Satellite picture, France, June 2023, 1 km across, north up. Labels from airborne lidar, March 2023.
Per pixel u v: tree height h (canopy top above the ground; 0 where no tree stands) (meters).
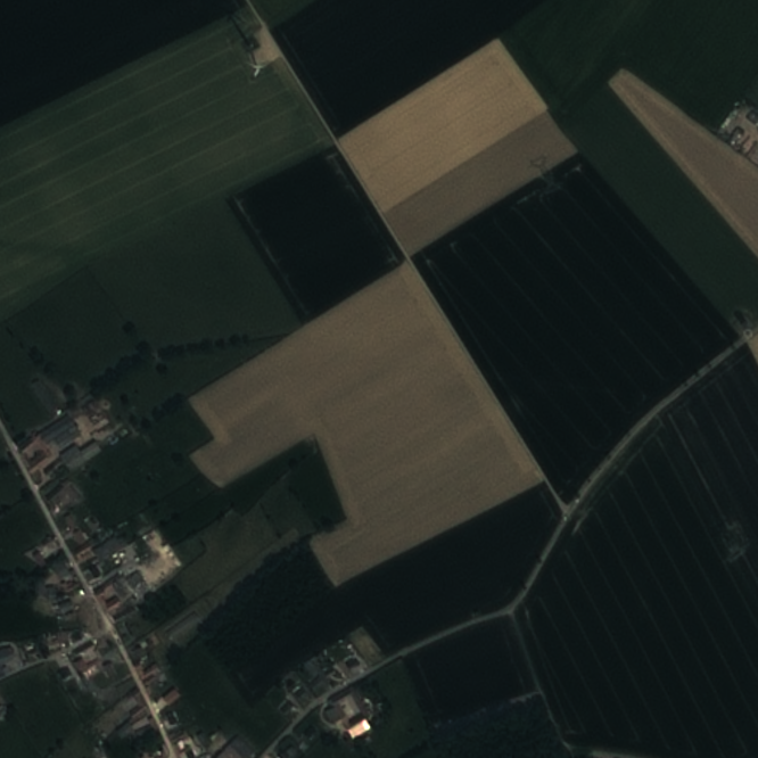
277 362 0
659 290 0
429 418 0
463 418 0
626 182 0
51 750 7
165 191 0
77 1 0
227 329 0
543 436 0
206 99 0
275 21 0
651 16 0
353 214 0
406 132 0
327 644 0
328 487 0
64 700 0
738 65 0
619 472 0
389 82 0
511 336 0
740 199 0
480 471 0
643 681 0
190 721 0
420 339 0
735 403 0
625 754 0
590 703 0
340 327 0
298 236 0
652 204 0
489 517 0
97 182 0
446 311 0
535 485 0
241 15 0
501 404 0
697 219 0
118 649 0
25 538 0
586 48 0
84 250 0
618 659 0
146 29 0
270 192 0
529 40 0
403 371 0
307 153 0
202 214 0
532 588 0
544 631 0
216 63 0
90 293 0
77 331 0
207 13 0
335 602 0
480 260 0
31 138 0
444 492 0
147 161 0
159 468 0
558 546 0
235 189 0
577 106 0
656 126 0
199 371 0
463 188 0
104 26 0
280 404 0
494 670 0
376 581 0
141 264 0
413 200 0
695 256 0
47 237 0
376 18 0
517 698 0
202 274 0
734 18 0
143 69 0
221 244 0
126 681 0
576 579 0
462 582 0
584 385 0
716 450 0
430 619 0
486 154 0
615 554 0
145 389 0
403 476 0
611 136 0
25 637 0
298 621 0
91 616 0
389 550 0
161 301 0
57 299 0
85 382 0
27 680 0
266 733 0
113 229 0
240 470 0
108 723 0
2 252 0
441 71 0
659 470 0
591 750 0
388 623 0
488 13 0
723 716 0
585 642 0
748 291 0
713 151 0
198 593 0
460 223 0
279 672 0
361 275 0
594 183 0
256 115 0
